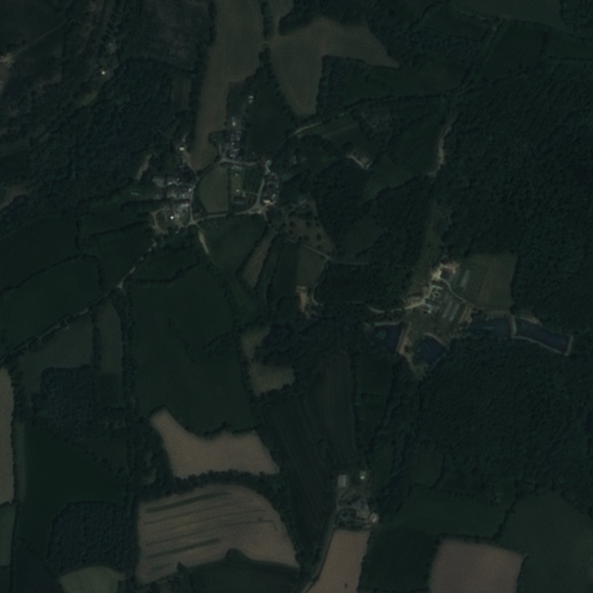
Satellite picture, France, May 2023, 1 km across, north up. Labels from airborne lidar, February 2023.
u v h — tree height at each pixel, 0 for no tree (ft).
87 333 0
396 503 64
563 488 62
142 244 0
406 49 78
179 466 0
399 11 0
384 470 0
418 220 45
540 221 48
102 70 0
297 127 32
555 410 47
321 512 0
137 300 0
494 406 39
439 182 50
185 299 0
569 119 59
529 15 0
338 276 49
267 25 44
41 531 0
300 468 0
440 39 64
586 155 49
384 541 0
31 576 0
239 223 0
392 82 0
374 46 0
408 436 20
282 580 0
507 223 46
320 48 0
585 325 55
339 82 46
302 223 0
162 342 0
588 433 77
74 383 68
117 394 0
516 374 34
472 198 50
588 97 36
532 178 43
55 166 34
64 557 59
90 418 52
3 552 0
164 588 0
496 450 31
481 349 46
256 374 0
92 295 0
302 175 26
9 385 0
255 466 0
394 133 23
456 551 0
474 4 0
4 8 0
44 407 72
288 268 0
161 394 0
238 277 25
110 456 0
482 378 38
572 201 51
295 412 0
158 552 0
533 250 49
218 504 0
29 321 0
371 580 0
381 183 0
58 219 0
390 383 0
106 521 47
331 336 66
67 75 43
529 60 0
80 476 0
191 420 0
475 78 27
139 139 83
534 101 23
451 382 37
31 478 0
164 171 38
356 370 51
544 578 0
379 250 41
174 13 0
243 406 0
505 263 0
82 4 66
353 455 0
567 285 49
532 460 47
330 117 28
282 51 0
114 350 0
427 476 0
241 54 0
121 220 0
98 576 0
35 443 0
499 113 32
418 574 0
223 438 0
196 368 0
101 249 0
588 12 57
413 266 48
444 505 0
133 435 34
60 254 0
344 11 52
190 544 0
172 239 36
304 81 0
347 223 54
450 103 39
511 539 0
